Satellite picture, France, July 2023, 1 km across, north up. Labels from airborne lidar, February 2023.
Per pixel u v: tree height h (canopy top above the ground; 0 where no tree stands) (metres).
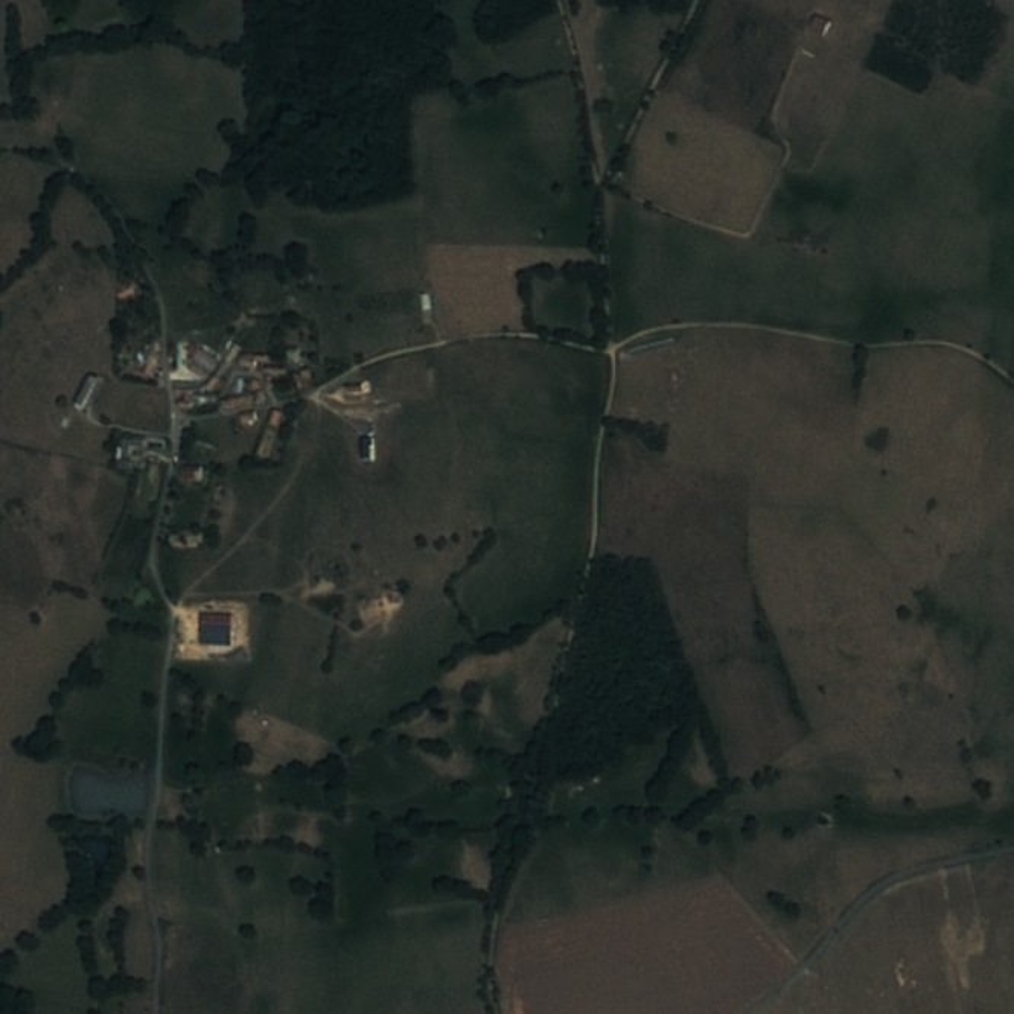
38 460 0
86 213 0
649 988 0
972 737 0
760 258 0
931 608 0
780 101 0
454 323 0
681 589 0
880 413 0
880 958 0
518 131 0
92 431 0
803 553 0
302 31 31
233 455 0
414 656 0
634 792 0
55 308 0
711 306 0
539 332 9
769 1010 0
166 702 0
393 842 15
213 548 7
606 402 0
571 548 0
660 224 0
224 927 0
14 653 0
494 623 0
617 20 0
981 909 0
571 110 0
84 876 20
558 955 0
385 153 16
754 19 0
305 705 0
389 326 0
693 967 0
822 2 0
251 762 15
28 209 0
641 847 0
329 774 18
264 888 0
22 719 0
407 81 13
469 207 0
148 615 12
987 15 5
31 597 0
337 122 16
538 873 0
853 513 0
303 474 0
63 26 14
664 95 0
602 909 0
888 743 0
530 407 0
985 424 0
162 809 0
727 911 0
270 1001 0
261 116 7
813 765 0
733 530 0
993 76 0
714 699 0
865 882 0
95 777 0
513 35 7
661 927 0
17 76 14
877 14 0
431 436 0
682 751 20
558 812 0
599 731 18
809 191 0
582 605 10
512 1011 0
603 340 15
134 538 0
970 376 0
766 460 0
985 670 0
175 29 10
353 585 0
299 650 0
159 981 0
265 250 0
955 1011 0
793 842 12
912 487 0
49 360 0
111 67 0
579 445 0
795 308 0
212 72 0
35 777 0
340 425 0
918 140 0
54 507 0
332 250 0
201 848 17
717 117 0
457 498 0
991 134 0
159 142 0
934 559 0
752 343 0
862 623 0
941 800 0
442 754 16
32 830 0
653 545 0
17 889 0
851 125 0
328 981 0
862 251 0
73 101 0
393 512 0
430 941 0
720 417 0
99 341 0
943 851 0
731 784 12
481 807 0
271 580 0
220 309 0
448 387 0
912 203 0
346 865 0
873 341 0
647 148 0
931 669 0
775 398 0
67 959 0
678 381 0
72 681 11
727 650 0
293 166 16
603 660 13
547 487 0
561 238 0
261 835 0
